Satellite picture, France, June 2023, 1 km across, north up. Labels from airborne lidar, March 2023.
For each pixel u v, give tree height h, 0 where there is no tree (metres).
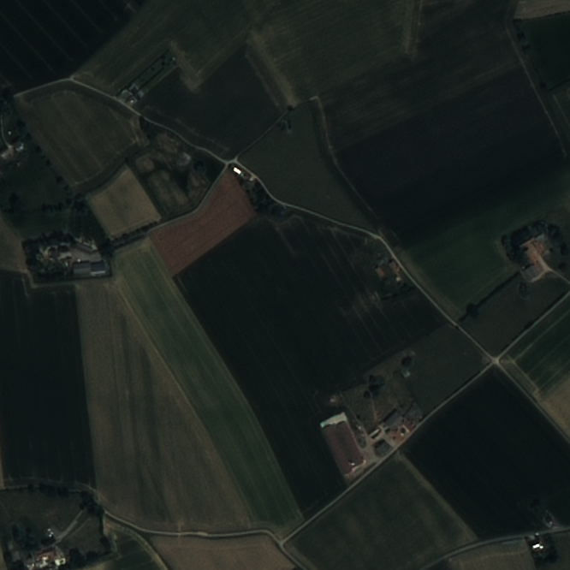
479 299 0
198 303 0
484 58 0
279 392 0
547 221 0
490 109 0
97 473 0
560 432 0
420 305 0
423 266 0
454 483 0
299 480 0
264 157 0
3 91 0
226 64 0
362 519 0
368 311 0
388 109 0
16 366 0
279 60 0
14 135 0
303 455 0
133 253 0
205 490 0
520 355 0
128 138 0
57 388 0
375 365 0
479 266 0
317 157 0
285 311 0
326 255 0
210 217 0
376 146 0
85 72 0
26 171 0
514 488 0
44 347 0
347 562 0
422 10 0
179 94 0
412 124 0
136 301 0
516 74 0
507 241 13
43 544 8
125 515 0
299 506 0
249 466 0
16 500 0
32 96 0
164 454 0
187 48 0
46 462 0
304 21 0
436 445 0
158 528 0
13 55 0
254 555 0
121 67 0
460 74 0
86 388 0
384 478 0
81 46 0
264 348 0
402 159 0
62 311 0
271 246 0
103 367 0
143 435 0
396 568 0
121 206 0
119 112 0
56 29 0
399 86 0
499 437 0
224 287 0
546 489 0
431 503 0
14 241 0
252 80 0
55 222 0
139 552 0
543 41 0
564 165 0
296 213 0
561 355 0
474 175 0
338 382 0
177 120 0
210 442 0
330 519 0
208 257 0
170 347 0
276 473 0
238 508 0
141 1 0
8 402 0
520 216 0
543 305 0
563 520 0
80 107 0
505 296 0
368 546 0
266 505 0
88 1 0
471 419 0
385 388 0
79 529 0
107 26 0
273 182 0
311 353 0
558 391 0
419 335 0
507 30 0
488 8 0
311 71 0
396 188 0
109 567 0
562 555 0
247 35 0
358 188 0
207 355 0
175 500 0
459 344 0
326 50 0
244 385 0
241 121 0
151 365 0
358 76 0
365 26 0
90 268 0
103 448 0
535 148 0
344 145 0
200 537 0
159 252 0
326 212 0
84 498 11
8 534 0
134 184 0
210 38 0
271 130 0
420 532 0
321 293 0
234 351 0
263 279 0
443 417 0
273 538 0
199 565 0
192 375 0
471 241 0
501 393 0
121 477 0
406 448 0
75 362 0
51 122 0
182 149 0
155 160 0
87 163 0
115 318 0
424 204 0
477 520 0
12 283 0
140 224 0
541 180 0
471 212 0
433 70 0
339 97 0
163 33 0
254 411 0
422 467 0
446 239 0
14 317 0
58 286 0
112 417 0
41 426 0
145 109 0
